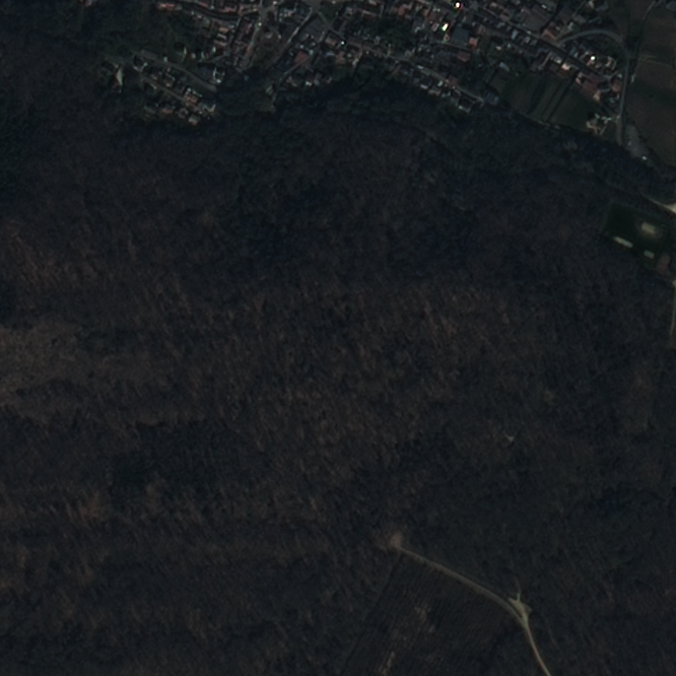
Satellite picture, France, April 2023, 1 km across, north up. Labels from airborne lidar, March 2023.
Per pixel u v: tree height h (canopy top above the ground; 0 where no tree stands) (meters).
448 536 25
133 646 26
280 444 20
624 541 27
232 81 12
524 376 22
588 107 0
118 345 9
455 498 23
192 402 22
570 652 27
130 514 24
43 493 26
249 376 23
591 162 18
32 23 23
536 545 25
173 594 29
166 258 25
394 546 0
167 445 15
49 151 20
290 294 25
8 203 23
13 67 29
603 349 27
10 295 17
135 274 26
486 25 0
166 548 28
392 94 22
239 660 27
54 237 33
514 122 19
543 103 0
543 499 25
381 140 21
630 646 29
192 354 23
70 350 0
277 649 24
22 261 22
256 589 25
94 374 0
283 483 17
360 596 22
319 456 23
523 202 24
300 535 23
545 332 25
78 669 25
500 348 25
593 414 24
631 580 28
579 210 18
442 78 0
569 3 9
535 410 21
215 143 14
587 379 22
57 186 24
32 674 23
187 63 0
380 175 19
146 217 23
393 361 21
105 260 25
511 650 26
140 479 16
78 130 26
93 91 30
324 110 17
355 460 22
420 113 21
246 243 32
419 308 22
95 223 26
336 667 23
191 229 24
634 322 25
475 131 22
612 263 27
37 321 17
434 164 22
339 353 22
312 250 20
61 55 23
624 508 21
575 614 26
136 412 20
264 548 23
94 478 24
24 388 0
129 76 21
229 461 15
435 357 22
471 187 26
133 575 28
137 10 19
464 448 26
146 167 28
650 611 28
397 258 18
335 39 0
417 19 0
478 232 20
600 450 27
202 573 23
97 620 26
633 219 0
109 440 20
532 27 0
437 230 18
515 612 0
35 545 26
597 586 25
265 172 22
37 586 27
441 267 20
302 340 21
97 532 30
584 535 25
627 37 0
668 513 31
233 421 20
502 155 19
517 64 7
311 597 27
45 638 24
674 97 0
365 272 21
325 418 21
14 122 19
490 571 24
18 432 22
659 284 19
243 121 16
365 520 21
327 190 27
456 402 23
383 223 22
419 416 24
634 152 0
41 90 22
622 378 24
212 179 25
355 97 13
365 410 24
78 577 31
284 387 20
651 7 0
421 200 19
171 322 19
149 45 0
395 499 23
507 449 11
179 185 28
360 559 22
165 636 28
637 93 0
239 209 22
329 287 24
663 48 0
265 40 0
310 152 26
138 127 10
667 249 0
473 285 23
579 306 23
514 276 17
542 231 23
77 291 21
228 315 21
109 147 26
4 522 0
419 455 20
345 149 25
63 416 0
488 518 25
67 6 22
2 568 27
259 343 22
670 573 30
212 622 20
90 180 27
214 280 23
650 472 23
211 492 21
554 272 25
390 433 21
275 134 20
